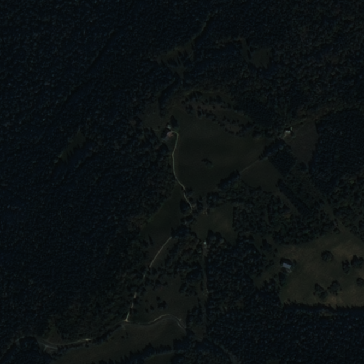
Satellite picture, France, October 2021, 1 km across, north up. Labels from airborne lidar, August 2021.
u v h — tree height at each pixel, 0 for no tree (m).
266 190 0
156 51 23
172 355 0
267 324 25
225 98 0
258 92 21
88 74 24
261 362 21
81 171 25
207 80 19
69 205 21
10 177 25
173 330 0
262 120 17
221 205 8
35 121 17
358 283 7
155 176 17
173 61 0
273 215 12
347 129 22
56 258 26
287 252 0
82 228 25
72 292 16
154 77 23
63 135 21
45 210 25
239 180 13
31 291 20
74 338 7
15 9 21
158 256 0
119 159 19
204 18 21
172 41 20
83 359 0
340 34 10
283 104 23
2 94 9
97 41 14
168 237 0
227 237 0
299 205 18
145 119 0
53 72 11
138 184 18
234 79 19
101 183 24
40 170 28
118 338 0
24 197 27
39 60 13
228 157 0
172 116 0
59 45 15
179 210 0
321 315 25
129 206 19
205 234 0
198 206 9
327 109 20
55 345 0
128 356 0
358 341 22
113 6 19
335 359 22
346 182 5
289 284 0
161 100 6
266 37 23
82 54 20
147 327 0
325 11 25
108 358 0
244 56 0
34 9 25
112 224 19
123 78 22
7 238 20
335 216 13
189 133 0
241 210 11
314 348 19
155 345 0
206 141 0
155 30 14
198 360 20
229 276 21
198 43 15
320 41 14
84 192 24
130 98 18
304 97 18
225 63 20
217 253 19
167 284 7
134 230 32
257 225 12
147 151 14
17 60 20
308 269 0
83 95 28
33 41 20
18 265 26
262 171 0
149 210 12
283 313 18
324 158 16
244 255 23
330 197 5
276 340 23
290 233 10
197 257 11
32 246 26
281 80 17
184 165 0
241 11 13
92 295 23
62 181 15
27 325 20
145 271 13
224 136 0
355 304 0
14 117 12
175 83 13
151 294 0
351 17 25
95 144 12
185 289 7
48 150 27
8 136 25
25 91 22
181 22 12
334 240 0
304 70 23
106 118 16
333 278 0
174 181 13
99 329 7
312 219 5
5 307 23
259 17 19
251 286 25
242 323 12
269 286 16
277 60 10
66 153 0
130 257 18
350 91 23
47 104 23
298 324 22
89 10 17
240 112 17
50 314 24
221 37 17
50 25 8
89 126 18
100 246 21
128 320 0
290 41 22
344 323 10
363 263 13
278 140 0
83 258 22
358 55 12
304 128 0
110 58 27
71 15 12
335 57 23
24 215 25
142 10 19
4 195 12
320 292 13
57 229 20
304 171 14
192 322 10
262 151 0
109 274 30
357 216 7
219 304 11
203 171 0
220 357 21
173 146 0
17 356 24
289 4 19
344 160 19
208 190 0
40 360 16
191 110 12
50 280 26
